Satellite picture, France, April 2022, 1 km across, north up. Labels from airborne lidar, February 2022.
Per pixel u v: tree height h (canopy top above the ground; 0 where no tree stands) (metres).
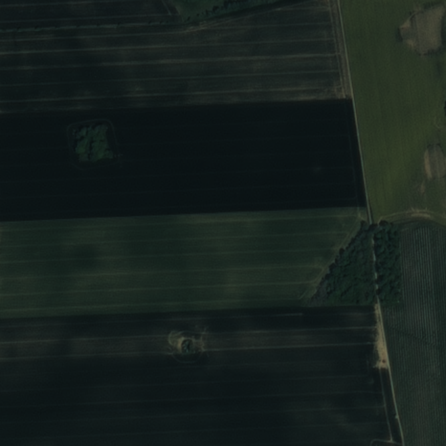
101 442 0
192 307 0
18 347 0
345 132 0
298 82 0
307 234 0
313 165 0
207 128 0
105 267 0
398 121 0
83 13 0
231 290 0
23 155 0
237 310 0
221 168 0
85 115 0
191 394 0
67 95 0
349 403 0
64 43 0
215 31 0
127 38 0
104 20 0
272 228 0
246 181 0
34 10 0
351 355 0
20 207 0
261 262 0
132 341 0
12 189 0
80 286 0
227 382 0
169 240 0
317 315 0
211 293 0
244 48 0
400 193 0
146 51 0
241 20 0
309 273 0
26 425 0
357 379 0
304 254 0
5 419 0
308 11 0
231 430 0
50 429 0
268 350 0
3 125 0
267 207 0
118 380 0
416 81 0
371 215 0
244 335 0
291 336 0
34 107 0
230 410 0
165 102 0
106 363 0
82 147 20
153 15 0
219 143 0
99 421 0
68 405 0
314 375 0
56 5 0
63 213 0
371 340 0
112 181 0
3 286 0
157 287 0
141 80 0
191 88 0
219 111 0
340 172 0
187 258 0
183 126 0
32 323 0
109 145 0
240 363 0
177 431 0
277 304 0
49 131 0
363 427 0
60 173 0
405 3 0
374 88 0
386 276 27
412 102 0
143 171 0
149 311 0
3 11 0
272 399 0
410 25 0
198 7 0
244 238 0
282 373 0
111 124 0
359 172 0
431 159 0
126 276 0
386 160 0
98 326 0
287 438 0
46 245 0
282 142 0
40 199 0
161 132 0
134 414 0
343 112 0
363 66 0
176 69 0
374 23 0
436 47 0
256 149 0
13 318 0
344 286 32
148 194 0
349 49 0
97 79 0
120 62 0
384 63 0
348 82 0
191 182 0
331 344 0
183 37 0
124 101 0
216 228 0
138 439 0
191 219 0
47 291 0
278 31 0
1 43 0
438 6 0
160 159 0
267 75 0
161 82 0
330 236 0
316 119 0
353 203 0
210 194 0
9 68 0
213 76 0
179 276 0
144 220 0
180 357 0
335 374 0
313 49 0
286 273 0
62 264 0
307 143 0
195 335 0
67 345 0
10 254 0
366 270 25
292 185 0
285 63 0
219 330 0
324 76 0
